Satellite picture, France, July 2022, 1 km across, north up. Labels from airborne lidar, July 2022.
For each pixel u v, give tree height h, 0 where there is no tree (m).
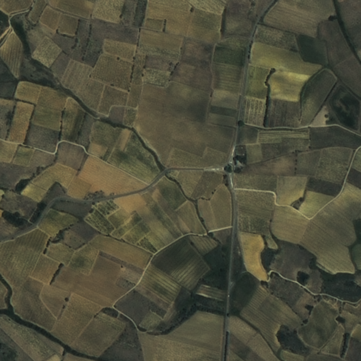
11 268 0
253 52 0
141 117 0
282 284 0
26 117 0
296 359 0
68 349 13
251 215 0
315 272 0
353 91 0
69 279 0
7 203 0
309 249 0
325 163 0
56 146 0
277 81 0
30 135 0
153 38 0
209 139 0
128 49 0
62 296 0
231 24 0
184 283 0
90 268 0
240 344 0
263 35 0
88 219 0
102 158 0
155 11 0
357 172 0
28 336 0
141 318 0
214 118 0
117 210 0
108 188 0
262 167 0
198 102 0
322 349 0
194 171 0
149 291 0
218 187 0
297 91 0
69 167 0
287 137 0
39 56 0
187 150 0
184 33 0
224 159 0
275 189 0
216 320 0
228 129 0
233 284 0
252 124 0
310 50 0
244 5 0
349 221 0
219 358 0
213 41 0
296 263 0
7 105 0
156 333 0
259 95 0
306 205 0
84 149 0
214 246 0
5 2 0
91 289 0
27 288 0
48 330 0
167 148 0
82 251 0
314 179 0
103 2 0
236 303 0
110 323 0
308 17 0
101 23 0
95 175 0
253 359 0
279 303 0
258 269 0
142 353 0
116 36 0
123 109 0
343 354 10
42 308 0
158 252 0
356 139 0
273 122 0
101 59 0
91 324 0
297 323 0
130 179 0
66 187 0
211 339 0
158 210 0
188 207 0
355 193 0
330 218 0
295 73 0
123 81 0
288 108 0
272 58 0
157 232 0
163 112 0
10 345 0
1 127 0
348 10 0
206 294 0
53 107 0
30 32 0
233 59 0
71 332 0
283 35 0
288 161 0
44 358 0
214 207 0
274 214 0
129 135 0
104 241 0
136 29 0
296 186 0
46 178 0
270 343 0
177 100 0
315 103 0
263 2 0
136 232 0
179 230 0
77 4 0
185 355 0
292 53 0
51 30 0
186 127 0
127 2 0
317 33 0
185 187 0
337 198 0
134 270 0
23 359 0
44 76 0
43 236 0
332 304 0
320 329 0
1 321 0
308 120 0
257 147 0
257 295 0
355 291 0
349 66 0
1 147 0
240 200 0
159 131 0
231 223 0
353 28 0
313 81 0
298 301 0
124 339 0
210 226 0
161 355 0
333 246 0
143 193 0
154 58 0
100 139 0
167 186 0
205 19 0
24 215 0
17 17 0
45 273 0
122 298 0
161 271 0
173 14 0
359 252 0
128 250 0
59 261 0
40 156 0
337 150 0
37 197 0
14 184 0
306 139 0
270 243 0
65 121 0
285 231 0
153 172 0
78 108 0
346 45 0
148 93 0
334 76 0
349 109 0
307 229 0
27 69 0
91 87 0
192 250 0
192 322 0
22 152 0
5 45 0
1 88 0
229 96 0
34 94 0
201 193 0
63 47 0
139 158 0
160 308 0
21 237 0
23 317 0
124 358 0
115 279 0
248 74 0
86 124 0
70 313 0
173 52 0
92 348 0
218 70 0
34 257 0
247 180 0
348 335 6
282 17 0
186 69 0
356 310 0
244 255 0
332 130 0
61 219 0
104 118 0
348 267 0
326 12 0
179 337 0
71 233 0
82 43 0
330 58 0
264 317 0
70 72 0
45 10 0
